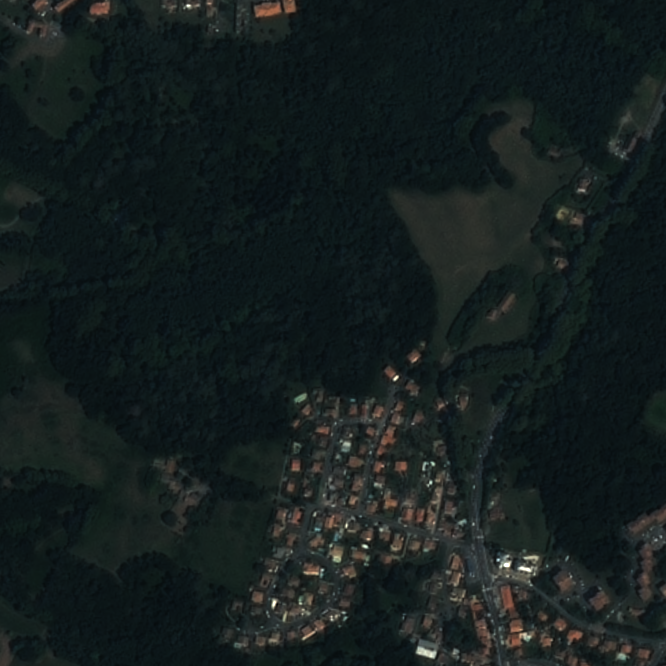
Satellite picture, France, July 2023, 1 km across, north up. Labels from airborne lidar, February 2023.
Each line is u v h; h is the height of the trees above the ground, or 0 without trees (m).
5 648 0
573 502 33
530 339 11
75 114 0
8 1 0
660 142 11
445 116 7
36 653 24
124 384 23
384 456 14
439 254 0
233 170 23
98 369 27
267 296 18
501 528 0
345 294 30
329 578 6
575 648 8
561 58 22
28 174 29
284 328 28
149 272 17
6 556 19
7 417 0
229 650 15
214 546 0
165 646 18
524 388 31
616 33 27
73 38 0
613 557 10
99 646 18
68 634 20
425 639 6
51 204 17
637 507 15
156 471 10
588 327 21
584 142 8
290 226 23
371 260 33
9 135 22
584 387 20
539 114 9
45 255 6
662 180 10
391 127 14
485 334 0
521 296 8
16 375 0
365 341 26
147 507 0
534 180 0
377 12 22
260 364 28
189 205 23
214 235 29
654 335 15
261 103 24
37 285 13
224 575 0
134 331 25
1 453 0
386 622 19
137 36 27
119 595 19
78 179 30
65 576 14
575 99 8
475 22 19
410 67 18
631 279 21
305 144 22
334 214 21
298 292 27
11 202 0
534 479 10
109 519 0
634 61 23
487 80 15
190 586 27
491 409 0
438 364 8
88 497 20
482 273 0
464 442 21
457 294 0
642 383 9
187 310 20
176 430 20
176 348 32
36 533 24
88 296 20
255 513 0
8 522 31
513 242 0
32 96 0
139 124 12
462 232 0
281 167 12
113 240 21
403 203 0
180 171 22
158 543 0
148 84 24
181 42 19
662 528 0
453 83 9
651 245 6
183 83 25
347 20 19
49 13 0
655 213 23
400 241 25
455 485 10
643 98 0
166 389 22
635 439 22
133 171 26
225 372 35
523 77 15
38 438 0
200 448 18
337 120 25
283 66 11
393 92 16
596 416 18
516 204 0
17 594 23
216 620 10
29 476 20
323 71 22
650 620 23
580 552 11
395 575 19
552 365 31
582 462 25
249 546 0
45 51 0
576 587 0
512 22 9
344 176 23
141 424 30
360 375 28
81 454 0
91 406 15
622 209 27
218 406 6
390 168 28
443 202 0
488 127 19
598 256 22
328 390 12
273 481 0
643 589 0
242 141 23
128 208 16
